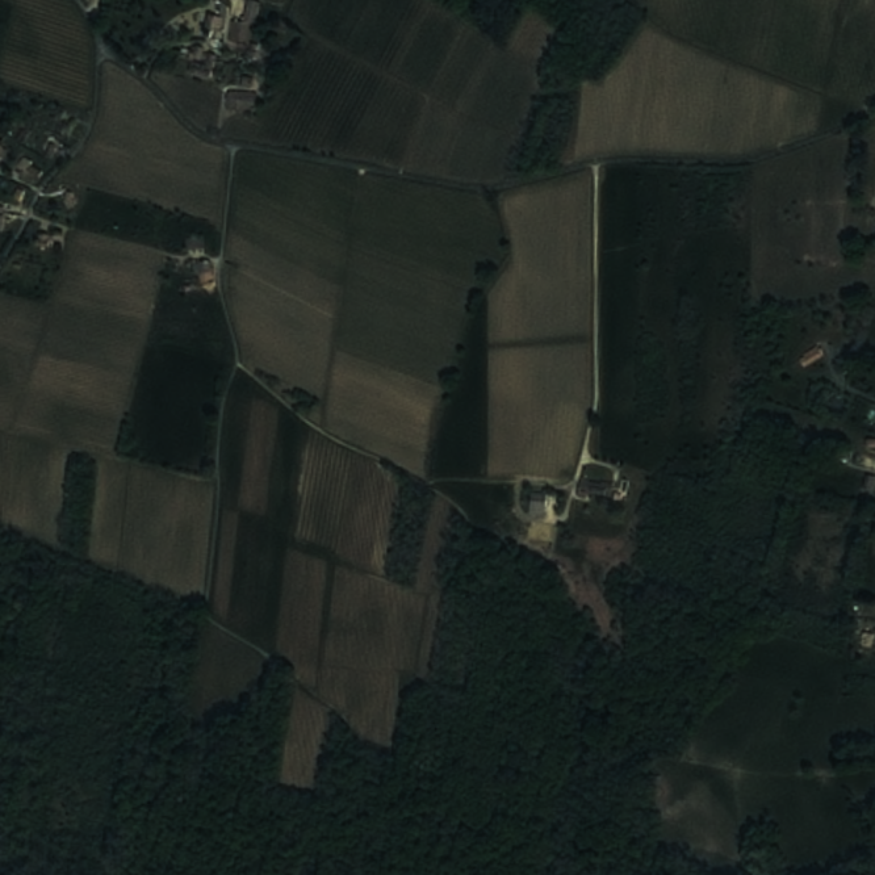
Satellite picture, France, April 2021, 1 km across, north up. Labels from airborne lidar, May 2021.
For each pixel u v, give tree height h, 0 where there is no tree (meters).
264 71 8
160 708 17
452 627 16
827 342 0
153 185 0
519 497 0
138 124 0
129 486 0
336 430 0
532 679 24
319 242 0
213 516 0
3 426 0
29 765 21
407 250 0
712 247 0
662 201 0
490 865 21
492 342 0
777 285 0
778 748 0
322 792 15
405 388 0
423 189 0
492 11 20
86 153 0
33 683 17
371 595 0
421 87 0
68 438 0
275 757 18
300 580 0
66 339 0
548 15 16
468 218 0
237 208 0
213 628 0
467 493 0
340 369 0
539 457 0
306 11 0
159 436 0
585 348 0
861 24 0
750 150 0
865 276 0
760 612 21
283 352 0
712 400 0
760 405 11
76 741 7
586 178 0
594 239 0
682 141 0
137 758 19
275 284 0
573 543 17
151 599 8
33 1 0
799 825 0
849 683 11
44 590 18
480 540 21
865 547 24
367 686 0
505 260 0
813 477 22
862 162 22
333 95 0
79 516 16
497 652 19
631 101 0
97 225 0
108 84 0
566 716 27
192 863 17
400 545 12
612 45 15
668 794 0
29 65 0
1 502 0
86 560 12
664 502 9
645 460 0
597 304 0
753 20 0
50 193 0
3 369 0
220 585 0
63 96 0
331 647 0
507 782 17
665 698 20
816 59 0
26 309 0
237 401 0
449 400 9
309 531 0
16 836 20
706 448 7
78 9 0
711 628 20
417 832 28
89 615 8
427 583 0
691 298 16
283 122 0
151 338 0
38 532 0
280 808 18
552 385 0
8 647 19
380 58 0
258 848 22
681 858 23
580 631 15
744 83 0
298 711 0
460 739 21
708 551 11
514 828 24
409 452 0
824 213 0
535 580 25
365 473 0
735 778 0
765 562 17
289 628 0
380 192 0
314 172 0
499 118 0
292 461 0
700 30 0
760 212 0
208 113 0
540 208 0
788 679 0
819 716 0
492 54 0
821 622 10
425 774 23
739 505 6
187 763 23
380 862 24
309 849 19
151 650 7
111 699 8
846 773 16
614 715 21
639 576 9
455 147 0
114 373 0
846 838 0
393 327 0
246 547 0
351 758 20
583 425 0
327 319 0
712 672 22
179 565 0
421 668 0
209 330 0
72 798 8
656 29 0
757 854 25
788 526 15
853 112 0
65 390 0
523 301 0
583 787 23
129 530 0
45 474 0
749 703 0
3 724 11
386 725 0
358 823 21
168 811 17
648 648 20
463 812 21
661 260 0
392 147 0
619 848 19
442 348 0
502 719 21
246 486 0
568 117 13
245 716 20
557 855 27
